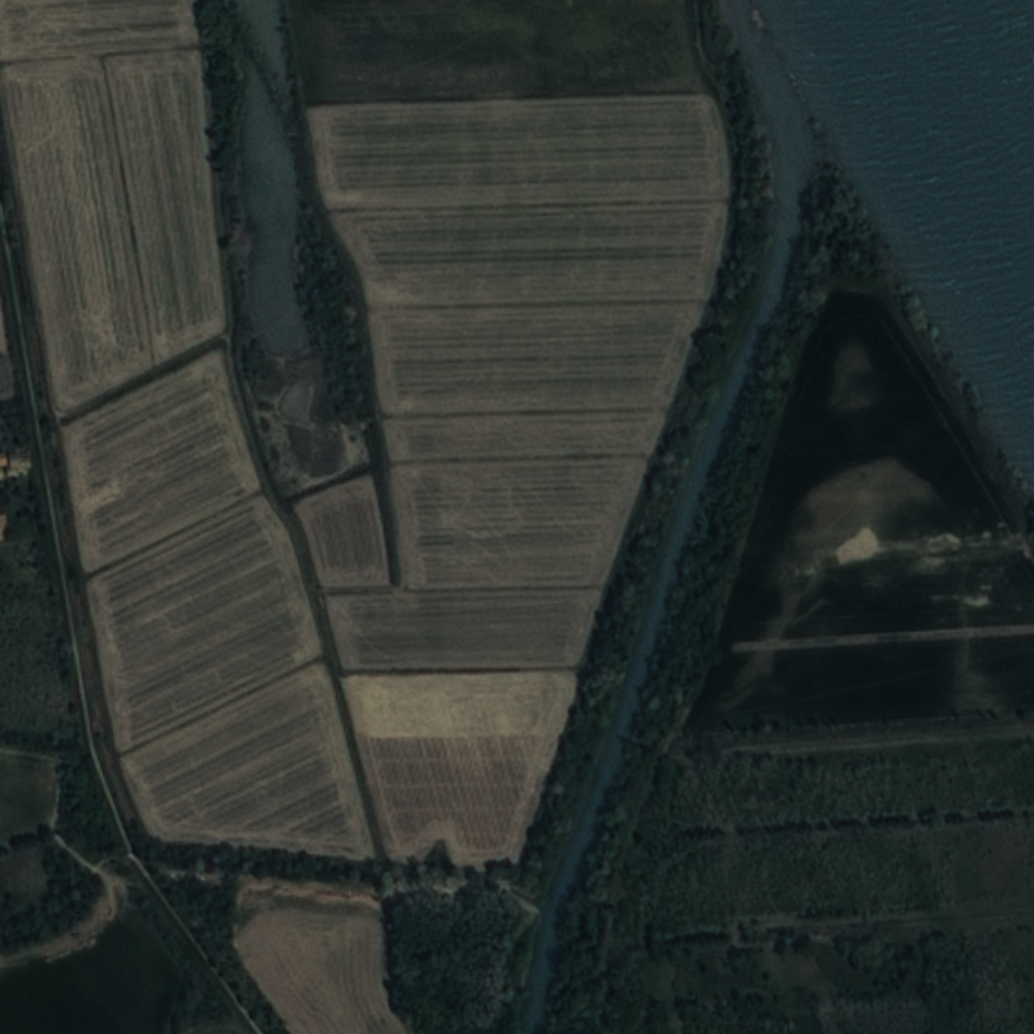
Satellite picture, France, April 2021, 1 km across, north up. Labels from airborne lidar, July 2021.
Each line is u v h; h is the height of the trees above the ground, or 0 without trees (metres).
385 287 0
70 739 7
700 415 6
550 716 0
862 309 0
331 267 20
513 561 0
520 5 0
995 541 0
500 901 28
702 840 14
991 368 0
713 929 16
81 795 15
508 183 0
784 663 0
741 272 21
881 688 0
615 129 0
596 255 0
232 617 0
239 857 8
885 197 0
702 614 19
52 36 0
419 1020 23
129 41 0
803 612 0
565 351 0
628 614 19
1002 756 0
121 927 0
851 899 11
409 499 0
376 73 0
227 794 0
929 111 0
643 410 0
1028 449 0
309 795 0
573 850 0
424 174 0
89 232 0
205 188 0
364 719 0
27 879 0
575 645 0
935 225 0
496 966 27
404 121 0
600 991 15
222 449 0
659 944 12
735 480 11
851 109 0
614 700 8
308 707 0
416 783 0
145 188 0
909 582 0
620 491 0
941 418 0
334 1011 0
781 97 0
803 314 14
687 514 0
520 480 0
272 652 0
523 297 0
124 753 0
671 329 0
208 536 0
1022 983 17
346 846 0
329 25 0
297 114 7
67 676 14
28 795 0
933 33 0
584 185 0
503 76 0
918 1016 19
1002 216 0
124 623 0
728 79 9
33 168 0
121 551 0
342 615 0
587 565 0
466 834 0
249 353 8
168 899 13
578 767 12
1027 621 0
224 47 15
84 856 12
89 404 0
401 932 24
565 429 0
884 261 19
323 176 0
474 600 0
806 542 0
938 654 0
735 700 0
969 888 0
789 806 15
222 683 0
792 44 0
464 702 0
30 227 0
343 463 0
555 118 0
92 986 0
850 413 0
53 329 0
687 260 0
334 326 12
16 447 8
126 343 0
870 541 0
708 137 0
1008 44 0
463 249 0
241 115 8
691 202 0
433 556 0
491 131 0
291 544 0
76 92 0
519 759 0
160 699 0
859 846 10
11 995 0
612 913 17
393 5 0
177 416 0
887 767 14
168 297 0
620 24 0
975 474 0
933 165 0
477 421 0
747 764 22
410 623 0
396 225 0
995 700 0
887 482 0
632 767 11
